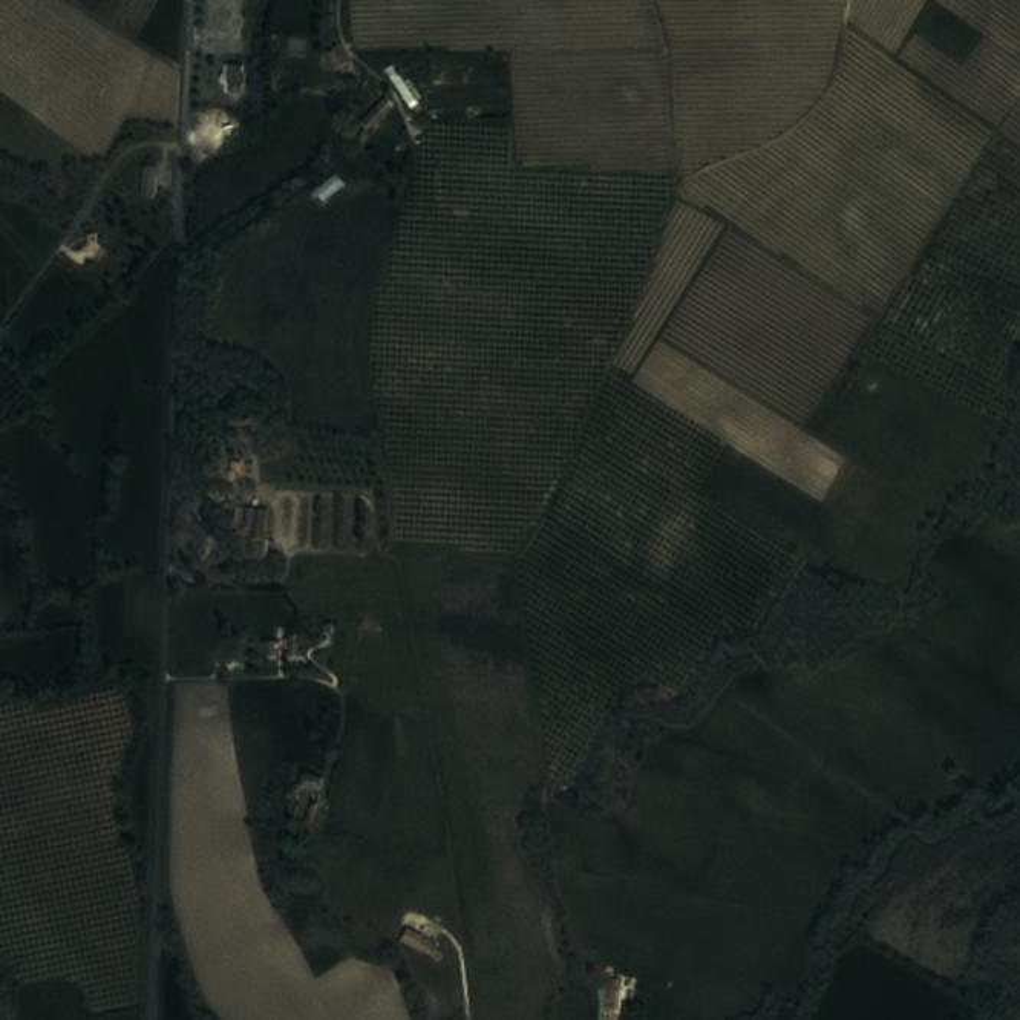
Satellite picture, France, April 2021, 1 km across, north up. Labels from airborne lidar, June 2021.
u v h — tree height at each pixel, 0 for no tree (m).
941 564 0
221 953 0
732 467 0
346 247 0
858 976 0
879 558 0
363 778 0
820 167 0
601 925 0
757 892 0
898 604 12
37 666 0
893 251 0
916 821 14
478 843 0
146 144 0
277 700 0
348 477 11
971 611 0
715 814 0
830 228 0
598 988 0
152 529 0
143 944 0
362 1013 0
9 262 0
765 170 0
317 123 0
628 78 0
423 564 0
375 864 0
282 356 0
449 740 0
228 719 0
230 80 0
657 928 0
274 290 0
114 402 0
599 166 0
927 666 0
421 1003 17
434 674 0
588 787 12
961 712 0
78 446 0
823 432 0
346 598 0
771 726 0
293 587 0
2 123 0
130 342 0
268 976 0
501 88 0
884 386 0
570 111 0
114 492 19
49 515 0
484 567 0
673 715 20
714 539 6
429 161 6
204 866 0
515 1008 0
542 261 6
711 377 0
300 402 0
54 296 0
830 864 0
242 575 15
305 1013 0
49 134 0
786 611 13
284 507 0
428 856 0
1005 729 0
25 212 0
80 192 20
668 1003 0
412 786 0
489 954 0
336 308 0
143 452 0
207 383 18
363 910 0
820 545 0
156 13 0
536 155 0
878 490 0
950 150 0
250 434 14
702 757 0
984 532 0
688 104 0
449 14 0
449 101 0
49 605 12
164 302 0
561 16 0
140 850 19
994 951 14
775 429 0
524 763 0
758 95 0
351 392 0
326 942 0
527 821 14
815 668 20
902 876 8
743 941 0
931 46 0
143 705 9
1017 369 17
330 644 0
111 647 0
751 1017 7
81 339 21
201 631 0
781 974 0
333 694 0
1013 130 0
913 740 0
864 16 0
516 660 0
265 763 0
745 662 19
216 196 0
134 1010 8
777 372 0
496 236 6
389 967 13
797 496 0
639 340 0
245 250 0
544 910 0
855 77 0
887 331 6
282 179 8
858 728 0
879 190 0
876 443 0
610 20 0
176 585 14
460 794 0
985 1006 14
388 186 23
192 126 0
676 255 0
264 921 0
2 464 6
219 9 0
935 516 11
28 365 12
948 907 10
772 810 0
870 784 0
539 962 0
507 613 0
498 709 0
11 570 0
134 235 7
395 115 0
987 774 0
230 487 12
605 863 0
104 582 17
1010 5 0
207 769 0
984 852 6
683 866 0
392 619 0
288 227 0
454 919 0
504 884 0
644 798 0
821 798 0
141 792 0
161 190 6
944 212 0
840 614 19
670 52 0
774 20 0
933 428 0
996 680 0
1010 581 0
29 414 21
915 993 0
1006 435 12
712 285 0
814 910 0
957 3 0
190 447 22
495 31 0
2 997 15
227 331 0
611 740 16
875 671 0
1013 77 0
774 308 0
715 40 0
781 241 0
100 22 0
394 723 0
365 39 0
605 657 6
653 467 5
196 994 10
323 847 0
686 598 6
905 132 0
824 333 0
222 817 0
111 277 10
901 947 0
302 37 0
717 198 0
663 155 0
